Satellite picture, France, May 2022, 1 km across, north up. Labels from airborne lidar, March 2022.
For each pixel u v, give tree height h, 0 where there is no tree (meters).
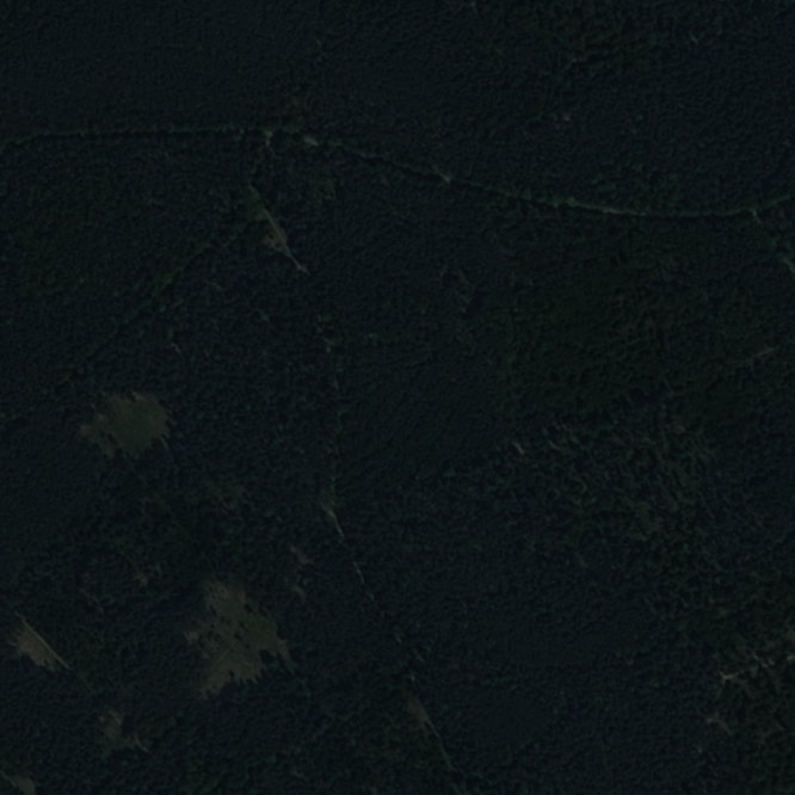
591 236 21
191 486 28
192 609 27
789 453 15
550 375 10
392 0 20
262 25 20
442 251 24
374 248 23
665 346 17
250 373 29
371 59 24
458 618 28
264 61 23
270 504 29
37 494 29
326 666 28
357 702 8
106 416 27
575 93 28
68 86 24
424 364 23
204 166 22
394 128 28
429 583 31
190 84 24
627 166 30
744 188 30
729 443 13
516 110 28
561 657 25
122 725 0
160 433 0
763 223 13
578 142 29
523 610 25
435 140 28
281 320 32
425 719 0
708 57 31
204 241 22
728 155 30
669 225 19
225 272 29
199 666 30
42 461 28
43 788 25
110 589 29
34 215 24
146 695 25
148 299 22
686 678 33
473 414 19
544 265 17
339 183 16
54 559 28
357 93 24
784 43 30
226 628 0
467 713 32
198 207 26
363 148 28
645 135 33
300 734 16
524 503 32
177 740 30
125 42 23
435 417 20
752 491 14
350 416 20
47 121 21
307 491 32
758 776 19
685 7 25
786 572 20
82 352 22
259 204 13
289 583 33
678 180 27
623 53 25
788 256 20
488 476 26
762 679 9
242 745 20
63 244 23
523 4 18
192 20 21
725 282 19
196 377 36
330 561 33
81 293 26
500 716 27
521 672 25
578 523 28
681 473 0
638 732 29
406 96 29
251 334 32
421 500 29
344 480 13
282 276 33
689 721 31
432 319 22
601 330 9
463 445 17
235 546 30
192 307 28
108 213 22
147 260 27
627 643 26
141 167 24
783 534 14
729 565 15
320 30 20
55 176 25
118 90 22
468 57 18
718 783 17
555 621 23
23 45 22
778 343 37
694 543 13
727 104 32
